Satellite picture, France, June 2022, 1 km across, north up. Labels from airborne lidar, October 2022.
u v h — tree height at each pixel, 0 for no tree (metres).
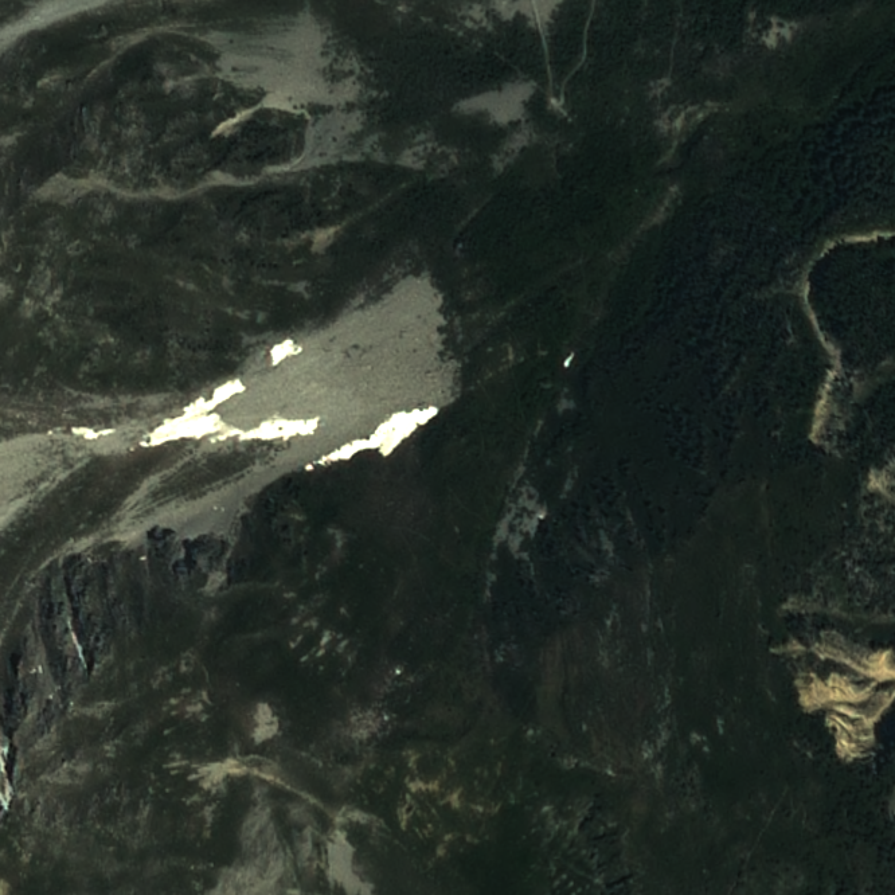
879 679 0
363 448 0
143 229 0
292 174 0
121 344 0
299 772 0
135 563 0
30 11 0
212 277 0
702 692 0
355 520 0
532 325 7
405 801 0
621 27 7
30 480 0
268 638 0
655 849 0
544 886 0
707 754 0
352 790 0
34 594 0
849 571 8
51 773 0
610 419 0
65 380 0
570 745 0
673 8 7
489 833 0
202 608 0
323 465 0
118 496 0
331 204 0
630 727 0
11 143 0
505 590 0
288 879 0
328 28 0
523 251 7
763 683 0
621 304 5
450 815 0
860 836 7
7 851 0
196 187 0
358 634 0
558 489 0
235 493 0
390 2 0
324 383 0
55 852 0
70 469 0
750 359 6
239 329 0
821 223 13
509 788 0
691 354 12
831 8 11
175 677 0
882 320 11
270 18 0
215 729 0
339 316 0
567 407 0
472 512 0
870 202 26
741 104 0
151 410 0
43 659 0
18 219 0
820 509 0
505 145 0
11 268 0
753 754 0
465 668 0
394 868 0
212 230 0
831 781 6
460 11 0
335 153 0
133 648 0
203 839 0
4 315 0
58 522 0
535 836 0
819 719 6
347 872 0
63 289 0
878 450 8
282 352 0
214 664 0
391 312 0
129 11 0
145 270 0
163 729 0
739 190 7
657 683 0
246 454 0
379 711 0
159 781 0
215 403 0
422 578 0
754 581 0
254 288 0
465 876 0
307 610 0
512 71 11
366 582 0
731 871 0
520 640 0
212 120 0
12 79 0
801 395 11
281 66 0
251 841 0
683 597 0
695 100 6
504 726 0
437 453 0
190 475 0
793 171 6
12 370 0
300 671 0
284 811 0
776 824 0
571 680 0
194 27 0
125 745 0
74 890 0
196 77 0
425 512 0
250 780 0
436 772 0
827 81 6
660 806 0
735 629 0
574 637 0
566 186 10
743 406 9
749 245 13
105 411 0
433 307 0
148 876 0
